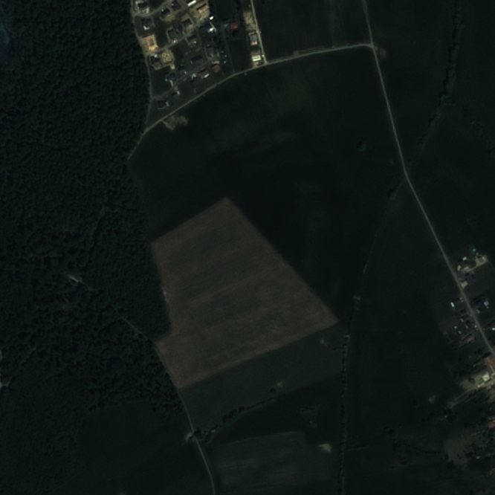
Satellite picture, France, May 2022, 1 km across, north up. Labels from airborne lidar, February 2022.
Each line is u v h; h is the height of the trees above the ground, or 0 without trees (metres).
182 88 0
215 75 0
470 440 0
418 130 0
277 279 0
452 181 0
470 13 0
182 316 0
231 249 0
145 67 12
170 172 0
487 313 0
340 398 0
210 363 0
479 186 0
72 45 25
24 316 28
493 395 0
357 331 0
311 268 0
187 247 0
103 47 21
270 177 0
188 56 0
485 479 0
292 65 0
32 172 19
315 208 0
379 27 0
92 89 24
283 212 0
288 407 0
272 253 0
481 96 0
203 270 0
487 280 0
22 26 21
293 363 0
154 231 0
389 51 0
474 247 0
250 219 0
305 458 0
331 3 0
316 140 0
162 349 0
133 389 26
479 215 0
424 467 0
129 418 0
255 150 0
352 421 0
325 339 0
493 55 0
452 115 0
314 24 0
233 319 0
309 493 0
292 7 0
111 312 24
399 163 0
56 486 9
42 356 26
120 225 29
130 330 15
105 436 0
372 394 0
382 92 0
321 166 0
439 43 0
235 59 0
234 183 0
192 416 0
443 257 0
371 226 0
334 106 0
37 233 25
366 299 0
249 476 0
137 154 0
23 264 31
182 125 0
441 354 0
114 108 26
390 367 0
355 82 0
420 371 0
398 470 0
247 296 0
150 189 0
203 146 0
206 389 0
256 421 0
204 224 0
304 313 0
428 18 0
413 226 0
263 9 0
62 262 27
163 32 0
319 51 0
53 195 23
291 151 0
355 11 0
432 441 0
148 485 0
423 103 0
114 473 0
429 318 0
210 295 0
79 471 7
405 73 0
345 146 0
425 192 0
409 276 0
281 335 0
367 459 0
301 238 0
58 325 29
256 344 0
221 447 0
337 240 0
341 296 0
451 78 12
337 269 0
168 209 0
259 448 0
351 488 0
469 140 0
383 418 0
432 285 0
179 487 0
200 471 0
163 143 0
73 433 11
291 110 0
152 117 0
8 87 28
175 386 17
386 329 0
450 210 0
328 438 0
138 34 0
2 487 15
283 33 0
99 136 26
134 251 23
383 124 0
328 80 0
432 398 0
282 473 0
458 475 0
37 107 24
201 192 0
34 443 15
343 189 0
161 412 20
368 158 0
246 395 0
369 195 0
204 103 0
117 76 25
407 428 0
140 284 18
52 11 29
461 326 0
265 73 0
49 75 23
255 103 0
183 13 0
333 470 0
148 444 0
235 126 0
